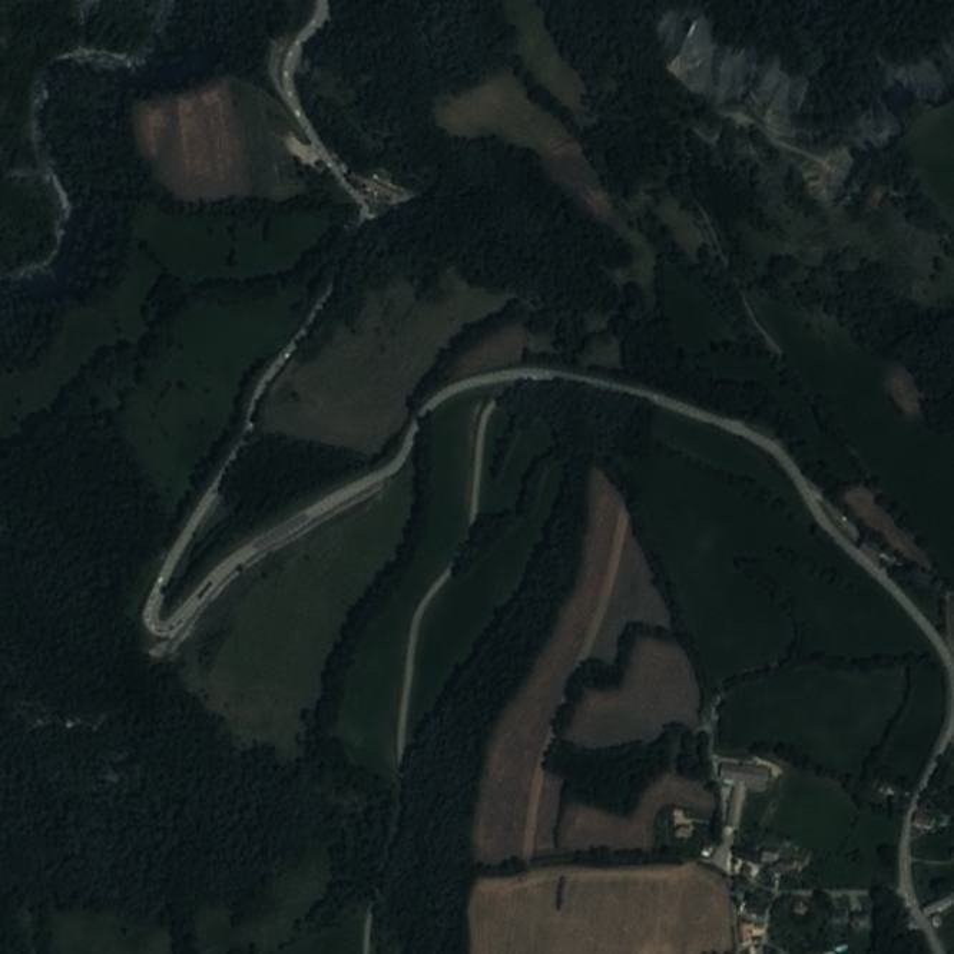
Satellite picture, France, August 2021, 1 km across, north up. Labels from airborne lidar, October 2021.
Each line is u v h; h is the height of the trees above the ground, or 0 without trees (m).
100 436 22
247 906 13
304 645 0
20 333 24
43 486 20
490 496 0
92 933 0
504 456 16
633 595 0
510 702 11
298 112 0
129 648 14
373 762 0
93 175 16
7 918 5
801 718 0
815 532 14
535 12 0
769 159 7
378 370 0
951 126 0
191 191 0
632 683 0
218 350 0
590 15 17
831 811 0
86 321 0
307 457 11
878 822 0
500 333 13
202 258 0
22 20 13
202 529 0
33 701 7
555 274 21
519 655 17
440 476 0
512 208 20
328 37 12
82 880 18
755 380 0
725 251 7
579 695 17
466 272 7
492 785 0
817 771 6
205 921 0
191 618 0
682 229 0
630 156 22
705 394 17
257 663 0
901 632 0
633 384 9
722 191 11
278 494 10
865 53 19
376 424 0
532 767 0
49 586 16
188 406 0
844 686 0
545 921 0
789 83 0
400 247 16
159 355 16
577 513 14
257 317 0
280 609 0
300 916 0
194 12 19
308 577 0
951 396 24
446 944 14
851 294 16
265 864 14
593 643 0
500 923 0
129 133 12
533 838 0
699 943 0
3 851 18
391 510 0
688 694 0
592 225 12
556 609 14
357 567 0
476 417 0
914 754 0
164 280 10
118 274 20
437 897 13
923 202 15
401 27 17
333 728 13
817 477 17
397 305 0
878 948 14
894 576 12
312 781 16
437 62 12
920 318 17
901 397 0
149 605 0
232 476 9
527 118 0
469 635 0
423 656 0
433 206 20
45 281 8
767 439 0
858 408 0
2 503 21
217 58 14
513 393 12
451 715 15
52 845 19
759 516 0
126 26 21
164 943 0
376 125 9
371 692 0
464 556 16
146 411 0
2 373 19
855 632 0
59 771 8
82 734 16
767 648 0
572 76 0
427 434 14
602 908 0
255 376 12
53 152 9
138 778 10
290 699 0
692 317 0
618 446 16
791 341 0
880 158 12
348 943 0
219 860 17
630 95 14
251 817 17
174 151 0
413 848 15
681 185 19
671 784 0
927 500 0
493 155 15
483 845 0
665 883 0
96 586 9
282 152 0
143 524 20
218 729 12
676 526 0
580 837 0
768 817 0
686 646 15
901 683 0
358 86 11
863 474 8
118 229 27
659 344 27
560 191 6
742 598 0
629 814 13
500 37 12
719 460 0
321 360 0
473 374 0
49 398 0
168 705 8
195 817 16
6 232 15
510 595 0
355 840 10
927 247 0
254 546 0
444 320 0
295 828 15
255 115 0
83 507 22
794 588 0
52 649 15
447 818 12
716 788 16
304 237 0
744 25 14
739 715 0
